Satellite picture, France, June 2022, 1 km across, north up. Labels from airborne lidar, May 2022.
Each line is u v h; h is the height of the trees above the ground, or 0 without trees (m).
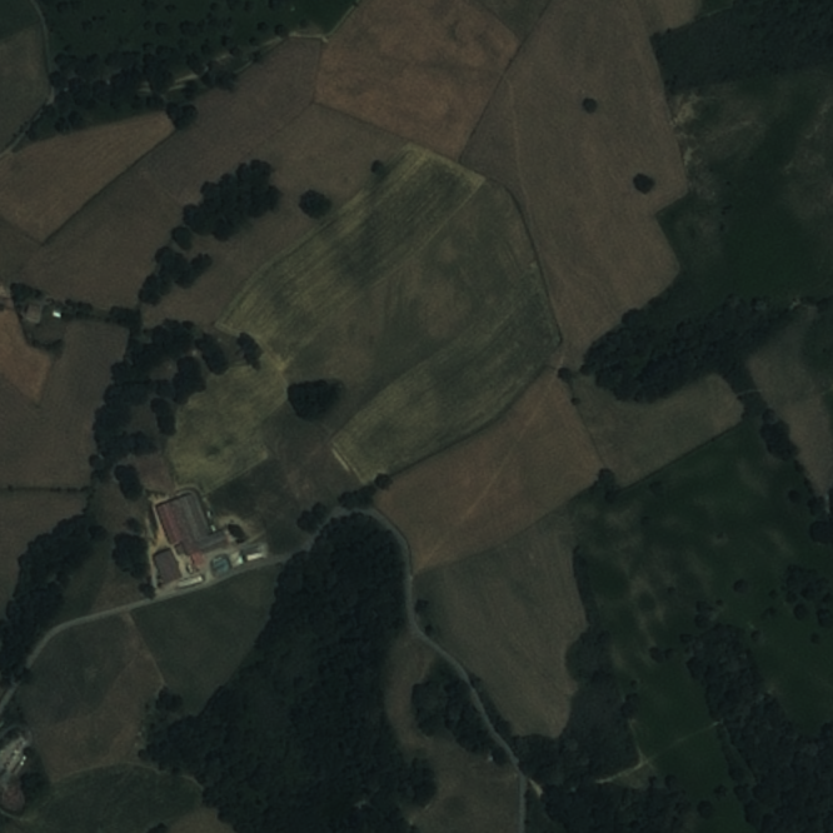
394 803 20
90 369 0
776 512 0
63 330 0
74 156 0
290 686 7
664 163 0
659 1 0
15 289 12
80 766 0
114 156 0
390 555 24
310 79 0
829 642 0
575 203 0
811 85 0
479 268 0
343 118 0
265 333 0
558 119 0
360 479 0
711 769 0
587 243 0
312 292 0
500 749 8
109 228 0
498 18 0
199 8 0
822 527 14
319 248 0
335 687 28
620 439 0
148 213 0
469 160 0
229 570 0
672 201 0
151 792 0
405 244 0
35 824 0
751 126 0
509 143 0
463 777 0
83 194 0
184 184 0
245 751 11
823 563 0
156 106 10
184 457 0
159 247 0
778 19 5
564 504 0
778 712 19
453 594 0
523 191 0
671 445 0
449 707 16
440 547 0
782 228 0
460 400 0
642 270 0
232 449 0
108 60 7
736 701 15
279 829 13
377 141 0
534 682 0
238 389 0
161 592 0
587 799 21
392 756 7
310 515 13
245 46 0
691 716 0
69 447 0
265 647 14
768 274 0
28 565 20
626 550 0
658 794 18
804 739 10
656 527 0
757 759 20
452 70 0
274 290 0
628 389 22
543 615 0
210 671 0
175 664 0
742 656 14
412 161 0
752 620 0
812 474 0
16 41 0
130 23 0
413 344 0
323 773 15
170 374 0
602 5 0
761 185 0
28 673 15
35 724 0
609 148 0
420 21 0
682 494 0
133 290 0
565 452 0
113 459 20
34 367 0
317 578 18
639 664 0
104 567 0
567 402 0
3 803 0
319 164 0
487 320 0
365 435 0
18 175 0
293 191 0
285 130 0
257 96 0
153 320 0
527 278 0
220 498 0
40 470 0
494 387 0
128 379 19
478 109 0
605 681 13
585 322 0
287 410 0
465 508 0
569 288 0
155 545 0
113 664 0
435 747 0
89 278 0
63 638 0
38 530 0
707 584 0
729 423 0
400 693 0
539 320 0
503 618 0
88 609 0
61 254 0
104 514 0
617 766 6
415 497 0
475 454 0
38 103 0
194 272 16
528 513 0
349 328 0
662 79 0
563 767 7
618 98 0
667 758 0
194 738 23
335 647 27
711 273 0
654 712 0
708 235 0
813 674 0
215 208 16
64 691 0
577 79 0
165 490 0
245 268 0
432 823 0
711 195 0
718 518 0
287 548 0
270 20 0
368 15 0
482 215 0
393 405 0
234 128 0
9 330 0
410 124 0
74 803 0
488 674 0
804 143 0
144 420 0
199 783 7
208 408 0
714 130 0
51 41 0
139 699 0
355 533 21
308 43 0
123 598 0
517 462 0
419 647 0
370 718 16
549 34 0
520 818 0
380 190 0
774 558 0
